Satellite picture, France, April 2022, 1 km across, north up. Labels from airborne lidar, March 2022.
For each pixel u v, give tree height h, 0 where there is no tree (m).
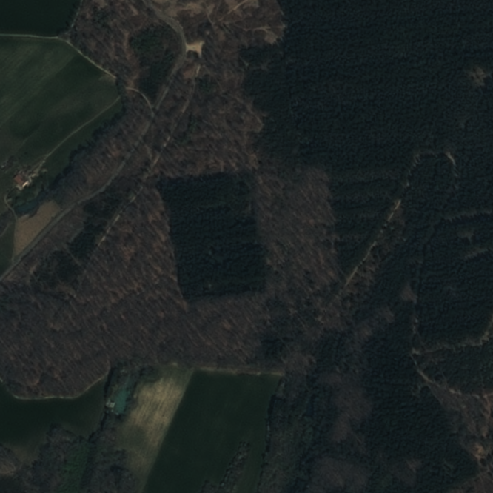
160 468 0
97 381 24
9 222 20
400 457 22
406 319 16
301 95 28
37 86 0
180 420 0
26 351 30
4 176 0
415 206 22
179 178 25
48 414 0
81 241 9
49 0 0
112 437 26
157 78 8
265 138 10
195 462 0
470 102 25
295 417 19
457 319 22
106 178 32
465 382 11
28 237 0
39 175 0
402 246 13
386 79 30
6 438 0
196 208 24
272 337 27
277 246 23
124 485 25
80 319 30
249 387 0
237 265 31
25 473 26
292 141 11
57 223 0
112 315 29
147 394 0
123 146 35
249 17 25
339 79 30
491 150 18
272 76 10
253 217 8
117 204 7
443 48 27
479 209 25
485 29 24
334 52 29
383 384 21
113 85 0
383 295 17
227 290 11
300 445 14
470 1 27
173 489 0
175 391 0
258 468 0
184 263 28
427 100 26
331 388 19
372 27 25
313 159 31
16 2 0
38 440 0
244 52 9
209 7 0
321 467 31
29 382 25
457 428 22
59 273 7
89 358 29
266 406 0
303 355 26
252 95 9
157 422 0
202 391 0
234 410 0
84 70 0
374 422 20
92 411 0
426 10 27
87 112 0
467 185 23
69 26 0
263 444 0
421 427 16
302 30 26
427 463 21
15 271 0
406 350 14
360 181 23
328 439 22
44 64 0
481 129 26
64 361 31
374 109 32
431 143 25
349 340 22
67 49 0
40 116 0
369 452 19
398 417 18
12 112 0
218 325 30
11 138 0
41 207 0
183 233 31
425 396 18
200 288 24
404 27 29
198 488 0
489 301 18
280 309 30
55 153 0
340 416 18
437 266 21
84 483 22
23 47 0
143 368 24
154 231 30
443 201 23
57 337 27
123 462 16
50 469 26
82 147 0
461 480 26
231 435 0
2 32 0
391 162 29
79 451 26
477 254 19
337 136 24
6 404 0
